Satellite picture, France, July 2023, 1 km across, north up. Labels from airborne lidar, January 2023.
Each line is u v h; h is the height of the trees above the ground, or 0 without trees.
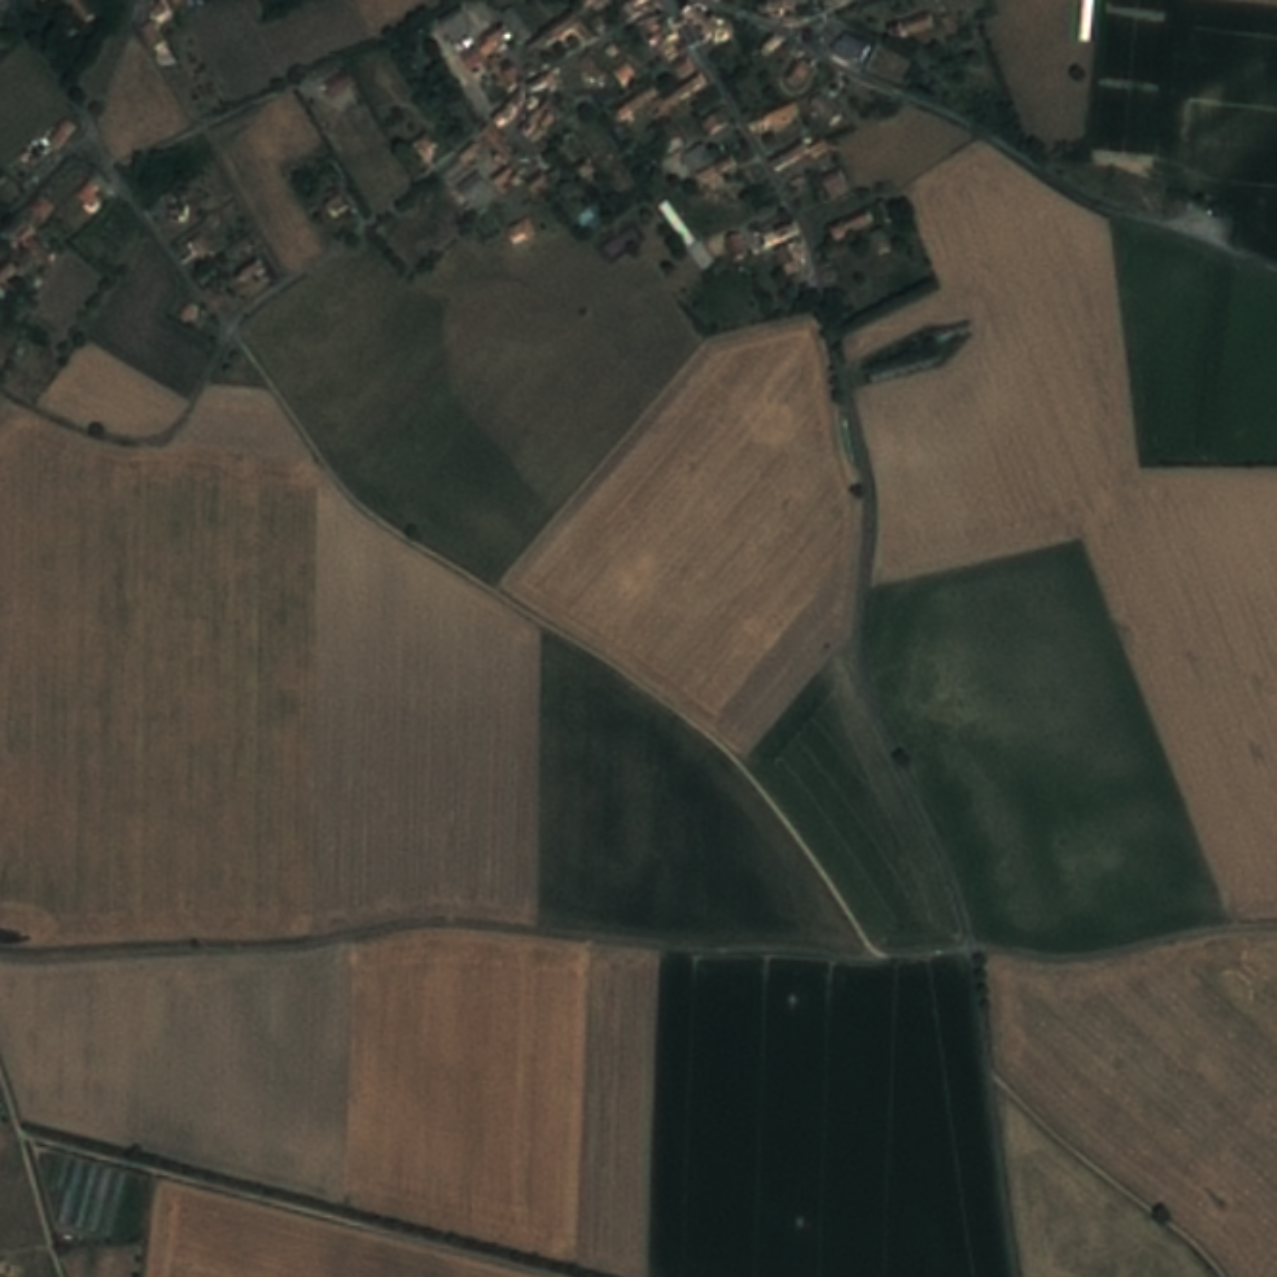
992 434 0
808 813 0
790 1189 0
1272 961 0
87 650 0
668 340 0
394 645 0
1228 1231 0
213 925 0
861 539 0
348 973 0
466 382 0
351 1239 0
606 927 0
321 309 0
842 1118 0
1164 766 0
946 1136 0
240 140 0
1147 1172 0
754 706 0
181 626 0
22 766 0
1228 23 0
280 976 0
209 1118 0
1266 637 0
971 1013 0
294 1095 0
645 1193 0
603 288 0
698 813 0
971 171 0
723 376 0
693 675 0
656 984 0
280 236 0
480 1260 0
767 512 0
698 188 12
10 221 9
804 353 0
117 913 0
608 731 0
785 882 0
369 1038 0
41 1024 0
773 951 0
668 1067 0
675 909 0
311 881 0
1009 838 0
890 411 0
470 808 0
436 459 0
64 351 6
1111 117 0
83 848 0
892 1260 0
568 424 0
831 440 0
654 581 0
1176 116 0
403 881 0
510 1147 0
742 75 10
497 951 0
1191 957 0
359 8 0
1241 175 0
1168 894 0
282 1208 0
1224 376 0
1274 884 0
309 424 0
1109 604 0
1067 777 0
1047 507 0
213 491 0
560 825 0
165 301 0
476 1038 0
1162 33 0
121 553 0
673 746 0
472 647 0
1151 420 0
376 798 0
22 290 10
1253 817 0
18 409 0
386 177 0
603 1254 0
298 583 0
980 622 0
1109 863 0
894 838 0
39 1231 0
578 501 0
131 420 0
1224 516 0
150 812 0
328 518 0
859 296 0
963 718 0
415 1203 0
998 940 0
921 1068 0
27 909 0
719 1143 0
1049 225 0
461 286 0
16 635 0
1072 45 0
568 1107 0
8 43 10
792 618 0
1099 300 0
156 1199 0
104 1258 0
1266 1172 0
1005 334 0
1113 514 0
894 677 0
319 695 0
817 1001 0
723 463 0
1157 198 0
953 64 9
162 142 0
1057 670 0
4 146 0
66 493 0
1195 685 0
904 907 0
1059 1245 0
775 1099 0
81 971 0
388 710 0
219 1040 0
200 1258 0
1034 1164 0
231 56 0
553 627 0
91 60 13
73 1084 0
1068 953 0
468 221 9
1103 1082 0
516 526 0
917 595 0
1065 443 0
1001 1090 0
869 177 0
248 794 0
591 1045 0
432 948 0
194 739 0
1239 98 0
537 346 0
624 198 8
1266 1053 0
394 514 0
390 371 0
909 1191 0
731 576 0
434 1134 0
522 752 0
